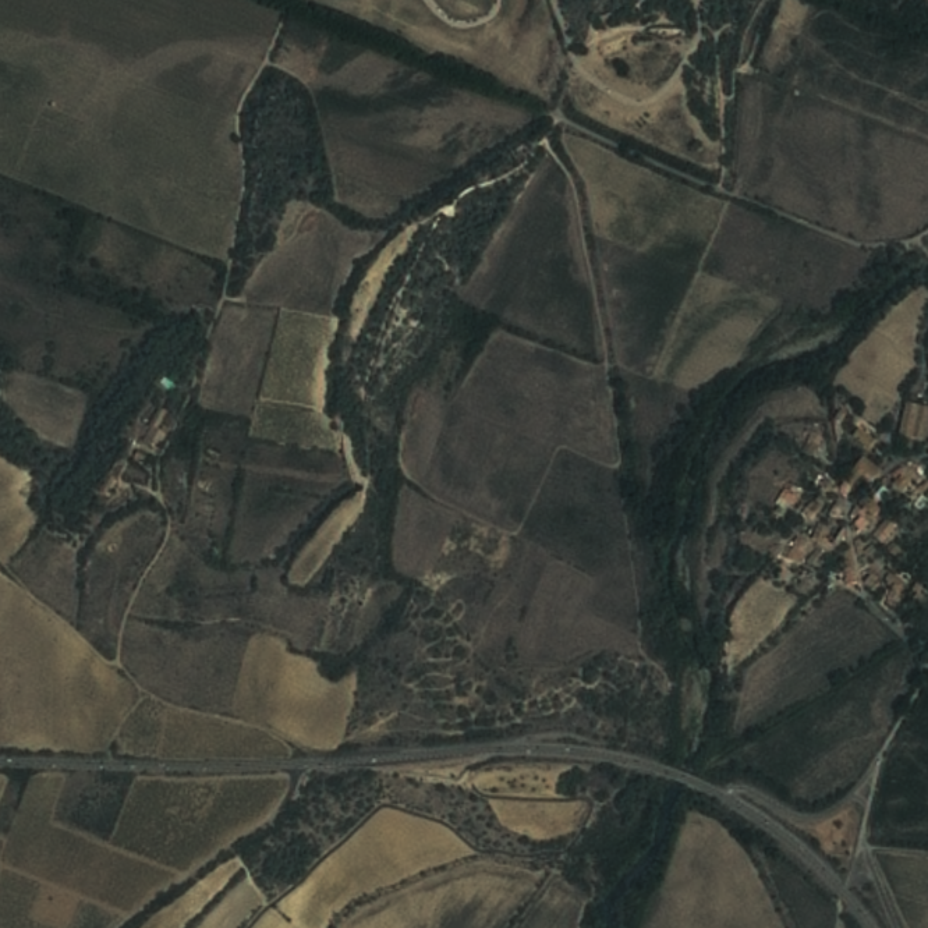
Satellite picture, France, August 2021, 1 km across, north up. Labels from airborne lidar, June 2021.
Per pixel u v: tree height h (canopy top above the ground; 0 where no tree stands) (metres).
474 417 0
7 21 0
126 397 7
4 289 0
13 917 0
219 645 0
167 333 11
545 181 0
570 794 10
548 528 0
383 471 12
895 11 10
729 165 9
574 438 0
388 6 0
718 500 0
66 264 0
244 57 0
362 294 0
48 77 0
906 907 0
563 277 0
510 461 0
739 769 11
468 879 0
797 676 0
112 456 8
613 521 0
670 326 0
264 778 0
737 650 0
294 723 0
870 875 0
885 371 0
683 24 8
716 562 0
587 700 9
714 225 0
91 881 0
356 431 8
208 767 0
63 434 0
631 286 0
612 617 0
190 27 0
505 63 0
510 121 0
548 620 0
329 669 7
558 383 0
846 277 0
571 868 9
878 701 0
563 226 0
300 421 0
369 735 0
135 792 0
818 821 0
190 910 0
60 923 0
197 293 0
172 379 9
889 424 11
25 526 0
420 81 0
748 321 0
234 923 0
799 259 0
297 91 7
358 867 0
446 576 0
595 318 0
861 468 0
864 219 0
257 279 0
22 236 0
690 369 0
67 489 15
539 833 0
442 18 0
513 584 0
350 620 0
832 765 0
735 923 0
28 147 0
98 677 0
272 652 0
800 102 0
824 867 0
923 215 0
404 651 0
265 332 0
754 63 7
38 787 0
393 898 0
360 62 0
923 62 0
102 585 0
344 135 0
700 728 0
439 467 0
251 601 0
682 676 6
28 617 0
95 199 0
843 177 0
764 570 7
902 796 0
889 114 0
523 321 0
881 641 0
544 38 0
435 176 0
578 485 0
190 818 0
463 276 7
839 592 0
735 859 0
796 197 0
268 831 6
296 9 22
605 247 0
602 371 0
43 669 0
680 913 0
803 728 0
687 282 0
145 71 0
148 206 0
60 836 0
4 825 0
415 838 0
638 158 12
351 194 0
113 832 0
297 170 14
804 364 9
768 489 0
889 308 15
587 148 0
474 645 0
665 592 11
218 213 0
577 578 0
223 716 0
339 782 6
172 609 0
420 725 0
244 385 0
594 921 7
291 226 0
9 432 10
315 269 0
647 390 0
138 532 0
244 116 12
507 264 0
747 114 0
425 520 0
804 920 0
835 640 0
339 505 8
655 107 0
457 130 0
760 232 0
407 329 0
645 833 5
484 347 6
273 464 0
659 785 15
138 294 12
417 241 7
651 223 0
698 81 6
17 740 0
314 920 0
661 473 10
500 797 0
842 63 0
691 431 15
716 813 7
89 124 0
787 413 0
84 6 0
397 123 0
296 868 10
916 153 0
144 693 0
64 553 0
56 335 0
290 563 6
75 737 0
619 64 9
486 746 0
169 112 0
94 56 0
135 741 0
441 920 0
